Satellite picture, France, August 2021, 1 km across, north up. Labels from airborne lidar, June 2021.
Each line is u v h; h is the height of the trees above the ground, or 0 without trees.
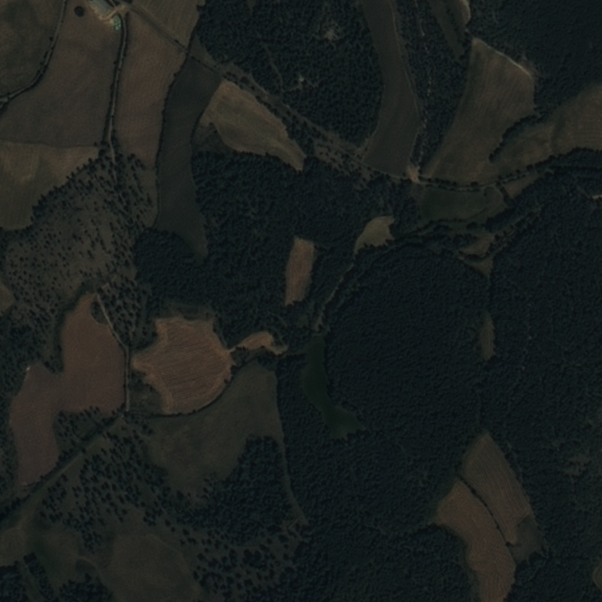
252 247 13
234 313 15
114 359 0
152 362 0
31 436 0
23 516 0
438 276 17
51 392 0
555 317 12
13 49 0
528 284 17
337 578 11
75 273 0
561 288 13
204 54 0
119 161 12
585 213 15
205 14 11
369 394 16
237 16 16
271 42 12
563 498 15
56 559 0
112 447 0
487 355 0
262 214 12
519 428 14
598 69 16
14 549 0
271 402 0
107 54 0
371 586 13
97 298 0
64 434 0
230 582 11
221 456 0
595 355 12
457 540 15
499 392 12
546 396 13
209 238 13
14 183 0
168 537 0
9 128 0
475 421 19
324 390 0
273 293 13
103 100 0
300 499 14
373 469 13
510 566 0
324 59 9
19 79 0
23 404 0
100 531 0
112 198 14
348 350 17
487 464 0
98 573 0
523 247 16
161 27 0
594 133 0
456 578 9
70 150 0
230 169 16
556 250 12
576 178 14
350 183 21
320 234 22
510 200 14
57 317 23
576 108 0
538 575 17
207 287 15
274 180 11
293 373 19
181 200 0
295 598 11
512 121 0
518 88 0
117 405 0
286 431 12
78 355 0
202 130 0
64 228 0
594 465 7
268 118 0
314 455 18
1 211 0
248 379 0
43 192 0
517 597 15
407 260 17
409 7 12
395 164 0
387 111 0
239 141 0
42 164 0
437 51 14
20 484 0
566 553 16
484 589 0
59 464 6
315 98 12
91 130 0
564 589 14
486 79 0
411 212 17
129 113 0
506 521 0
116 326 10
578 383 14
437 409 18
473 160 0
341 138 7
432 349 14
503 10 11
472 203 0
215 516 11
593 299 19
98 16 0
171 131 0
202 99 0
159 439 0
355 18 12
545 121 10
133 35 0
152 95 0
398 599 17
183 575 0
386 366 17
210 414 0
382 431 15
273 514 14
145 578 0
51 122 0
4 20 0
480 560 0
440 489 16
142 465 15
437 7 0
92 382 0
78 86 0
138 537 0
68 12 0
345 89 10
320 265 17
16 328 16
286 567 0
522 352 10
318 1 14
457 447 16
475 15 8
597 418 9
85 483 10
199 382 0
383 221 0
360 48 14
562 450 12
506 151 0
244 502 10
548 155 0
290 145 0
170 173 0
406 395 15
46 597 14
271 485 13
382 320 16
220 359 0
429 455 13
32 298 19
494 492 0
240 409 0
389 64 0
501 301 17
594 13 16
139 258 19
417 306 12
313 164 16
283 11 11
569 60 17
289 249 13
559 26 16
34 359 16
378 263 13
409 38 11
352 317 19
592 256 16
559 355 14
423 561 14
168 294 12
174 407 0
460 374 12
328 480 16
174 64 0
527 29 11
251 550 0
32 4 0
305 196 20
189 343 0
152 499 0
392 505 12
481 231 0
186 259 20
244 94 0
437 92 15
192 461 0
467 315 11
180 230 0
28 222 0
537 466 16
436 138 14
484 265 0
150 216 16
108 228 0
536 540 0
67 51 0
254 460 10
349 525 16
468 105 0
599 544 12
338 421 0
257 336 0
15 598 12
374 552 13
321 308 14
